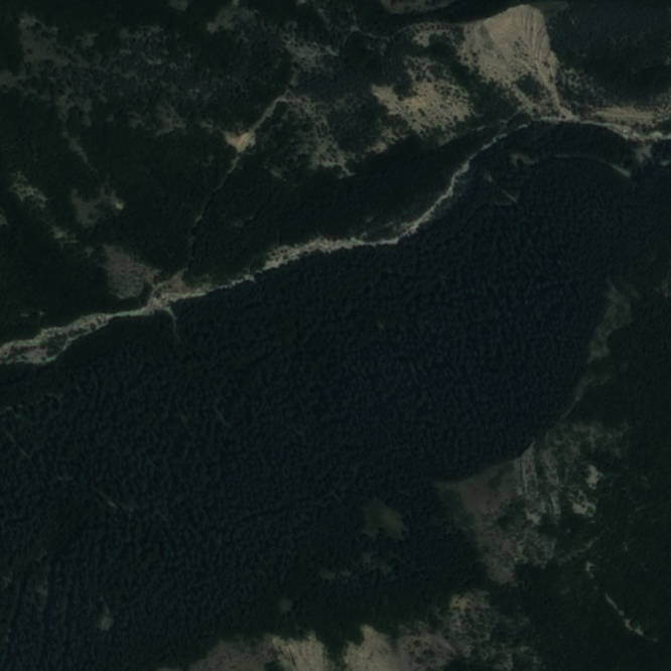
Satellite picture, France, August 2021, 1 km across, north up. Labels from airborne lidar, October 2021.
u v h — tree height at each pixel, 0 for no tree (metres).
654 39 9
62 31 12
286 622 11
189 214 17
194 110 10
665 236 14
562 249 16
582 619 13
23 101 10
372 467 19
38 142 10
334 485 23
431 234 10
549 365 21
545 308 25
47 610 7
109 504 7
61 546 13
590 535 10
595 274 16
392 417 16
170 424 18
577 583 7
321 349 10
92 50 8
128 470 20
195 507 18
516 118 8
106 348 11
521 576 14
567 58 7
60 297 18
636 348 12
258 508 17
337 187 15
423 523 19
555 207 18
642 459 14
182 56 9
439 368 8
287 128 13
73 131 13
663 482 11
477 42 0
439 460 13
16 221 12
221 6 11
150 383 11
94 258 11
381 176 14
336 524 23
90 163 7
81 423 18
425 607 15
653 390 17
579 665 10
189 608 24
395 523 0
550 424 9
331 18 9
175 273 8
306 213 18
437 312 25
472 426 10
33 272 20
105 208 7
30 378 12
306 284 30
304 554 19
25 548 15
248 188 17
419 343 24
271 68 19
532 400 24
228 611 15
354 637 10
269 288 24
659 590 13
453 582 15
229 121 10
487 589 8
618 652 17
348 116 10
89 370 16
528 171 22
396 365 24
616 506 10
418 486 19
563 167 19
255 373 27
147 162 13
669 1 10
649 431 17
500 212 20
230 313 18
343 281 20
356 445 18
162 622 15
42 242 16
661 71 11
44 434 11
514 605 8
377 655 0
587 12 8
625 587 12
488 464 11
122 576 27
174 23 12
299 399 20
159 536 15
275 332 20
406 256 19
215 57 9
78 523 17
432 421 12
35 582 16
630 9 8
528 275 10
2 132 7
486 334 23
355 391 25
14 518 16
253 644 7
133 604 15
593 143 18
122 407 12
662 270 11
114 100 11
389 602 14
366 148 8
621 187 19
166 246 15
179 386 14
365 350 12
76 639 7
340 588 20
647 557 15
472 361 28
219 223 19
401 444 12
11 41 13
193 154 8
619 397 14
